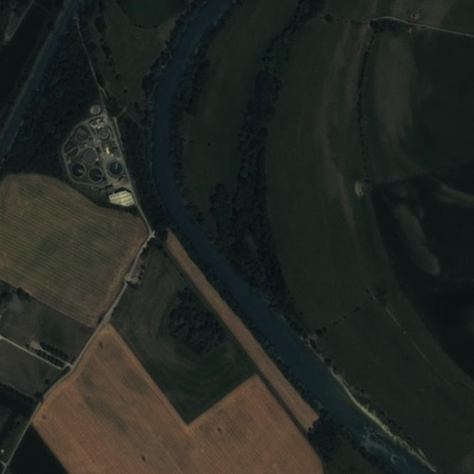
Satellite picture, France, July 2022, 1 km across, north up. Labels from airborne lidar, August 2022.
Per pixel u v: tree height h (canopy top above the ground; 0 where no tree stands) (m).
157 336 0
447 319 0
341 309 0
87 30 18
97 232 0
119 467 0
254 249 0
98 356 0
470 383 0
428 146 0
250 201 10
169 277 0
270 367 0
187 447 0
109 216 0
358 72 0
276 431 0
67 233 0
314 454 0
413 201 0
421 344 0
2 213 0
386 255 0
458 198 0
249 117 12
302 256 0
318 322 0
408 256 0
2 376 0
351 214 0
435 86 0
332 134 0
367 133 0
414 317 0
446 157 0
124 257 0
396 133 0
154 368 0
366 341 0
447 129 0
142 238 0
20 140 22
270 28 0
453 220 0
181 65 0
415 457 0
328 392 0
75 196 0
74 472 0
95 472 0
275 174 0
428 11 0
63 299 0
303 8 16
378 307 0
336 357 0
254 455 0
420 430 0
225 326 0
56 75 28
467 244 0
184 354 0
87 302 0
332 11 0
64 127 18
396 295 0
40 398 19
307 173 0
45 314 0
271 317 0
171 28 0
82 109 21
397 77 0
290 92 0
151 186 7
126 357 0
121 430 0
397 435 0
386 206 0
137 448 0
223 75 0
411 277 0
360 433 0
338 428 22
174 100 12
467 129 0
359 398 0
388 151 0
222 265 0
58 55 21
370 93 0
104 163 0
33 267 0
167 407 0
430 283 0
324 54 0
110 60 6
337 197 0
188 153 0
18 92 7
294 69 0
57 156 13
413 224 0
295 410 0
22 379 0
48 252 0
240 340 0
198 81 15
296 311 0
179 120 12
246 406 0
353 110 0
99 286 0
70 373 0
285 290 32
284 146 0
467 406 0
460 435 0
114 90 0
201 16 0
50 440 0
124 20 0
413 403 0
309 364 0
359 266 0
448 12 0
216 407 0
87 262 0
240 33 0
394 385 0
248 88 0
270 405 0
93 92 22
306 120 0
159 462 0
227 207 16
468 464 0
